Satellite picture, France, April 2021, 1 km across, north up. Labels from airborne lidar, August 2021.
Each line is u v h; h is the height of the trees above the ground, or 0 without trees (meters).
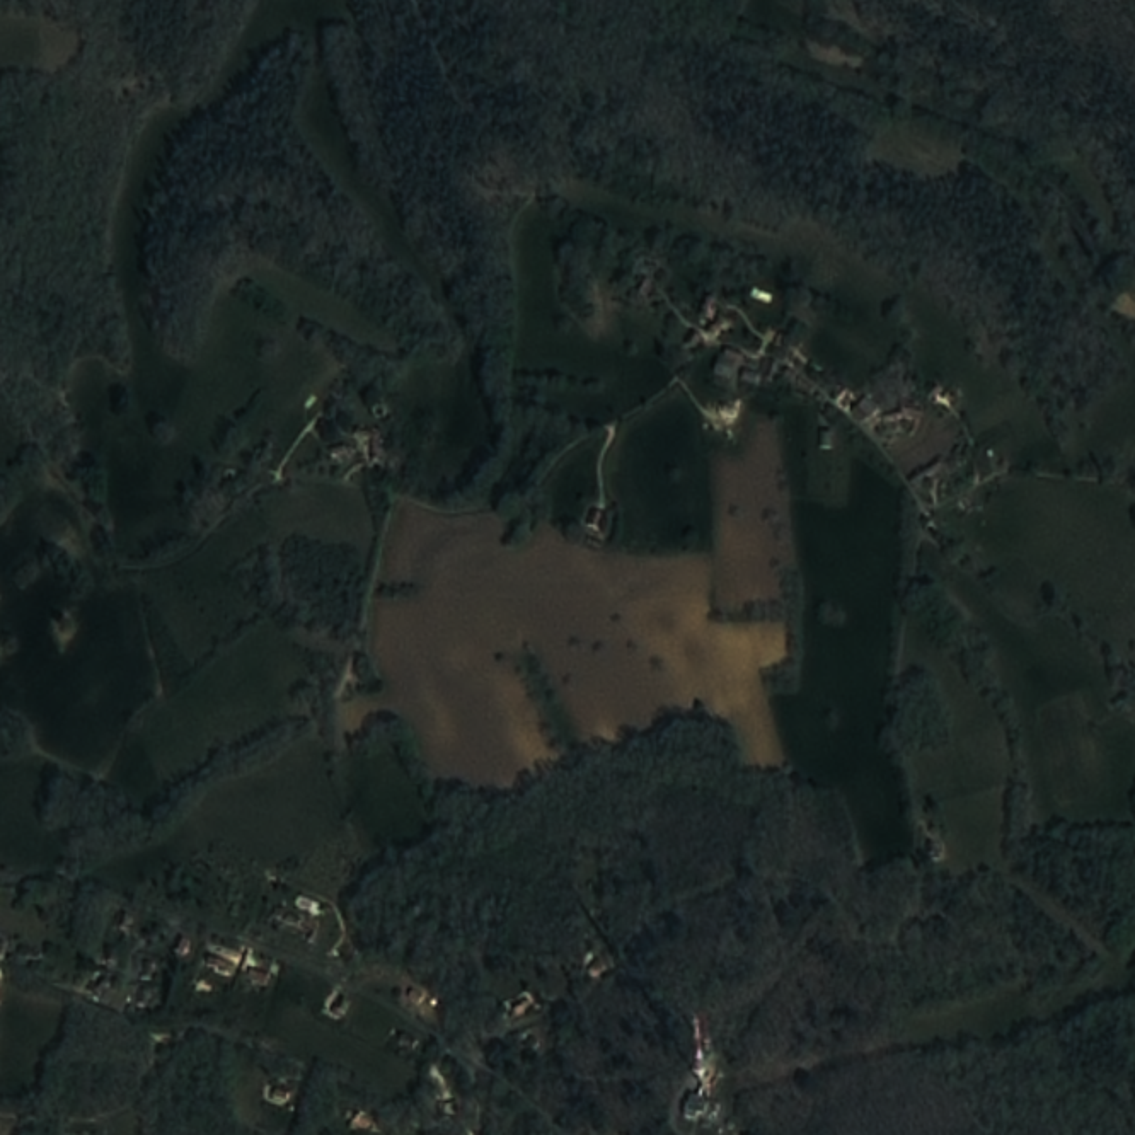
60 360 22
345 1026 12
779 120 14
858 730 0
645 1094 14
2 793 0
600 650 10
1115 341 15
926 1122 19
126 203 0
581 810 18
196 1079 20
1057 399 14
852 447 7
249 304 8
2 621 0
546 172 17
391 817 0
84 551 0
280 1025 0
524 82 20
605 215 0
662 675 10
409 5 11
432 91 13
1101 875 23
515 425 18
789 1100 15
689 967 13
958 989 14
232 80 0
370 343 0
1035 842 13
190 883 7
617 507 6
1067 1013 0
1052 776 0
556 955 15
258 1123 0
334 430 12
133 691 0
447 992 22
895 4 11
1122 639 0
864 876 13
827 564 0
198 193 13
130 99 16
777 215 21
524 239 0
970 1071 18
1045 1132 20
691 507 0
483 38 20
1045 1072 22
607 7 23
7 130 18
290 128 22
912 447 0
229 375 0
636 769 21
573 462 0
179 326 27
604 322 0
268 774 0
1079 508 0
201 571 0
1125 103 12
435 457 0
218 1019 13
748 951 25
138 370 0
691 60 22
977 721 0
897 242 18
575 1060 12
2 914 0
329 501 0
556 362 0
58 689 0
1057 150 24
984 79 16
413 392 0
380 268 13
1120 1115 19
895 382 11
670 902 13
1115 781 0
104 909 17
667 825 14
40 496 0
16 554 0
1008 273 19
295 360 0
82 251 20
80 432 11
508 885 14
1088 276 10
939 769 0
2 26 0
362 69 14
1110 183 15
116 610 0
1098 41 12
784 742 0
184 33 20
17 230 25
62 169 18
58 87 19
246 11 24
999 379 0
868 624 0
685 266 8
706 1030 13
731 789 18
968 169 11
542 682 7
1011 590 0
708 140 20
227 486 10
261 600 7
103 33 19
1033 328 16
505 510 20
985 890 21
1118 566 0
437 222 13
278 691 0
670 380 0
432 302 20
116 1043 18
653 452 0
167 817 16
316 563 6
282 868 5
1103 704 0
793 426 0
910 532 11
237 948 11
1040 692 0
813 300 12
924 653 0
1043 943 18
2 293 23
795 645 11
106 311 22
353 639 12
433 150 10
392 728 19
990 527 0
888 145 0
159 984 7
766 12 0
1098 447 0
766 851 19
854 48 10
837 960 9
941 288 17
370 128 15
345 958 0
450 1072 23
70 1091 14
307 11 0
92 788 18
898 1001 20
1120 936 19
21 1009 0
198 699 0
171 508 0
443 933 11
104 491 26
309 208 15
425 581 0
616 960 11
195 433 0
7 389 13
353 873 6
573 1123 19
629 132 18
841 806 8
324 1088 20
